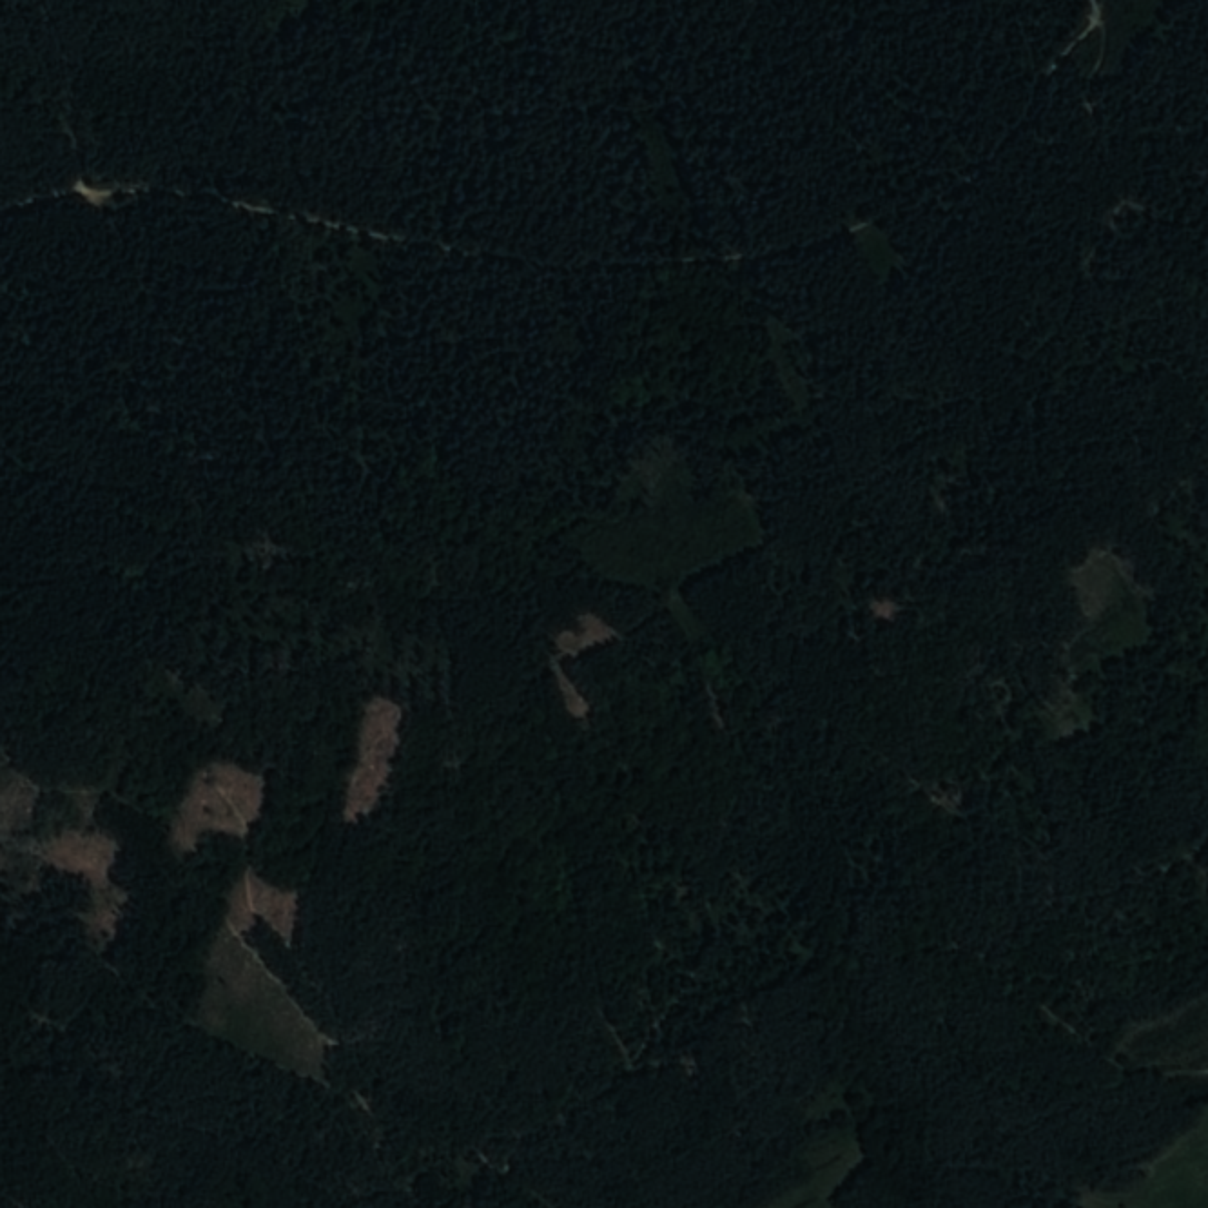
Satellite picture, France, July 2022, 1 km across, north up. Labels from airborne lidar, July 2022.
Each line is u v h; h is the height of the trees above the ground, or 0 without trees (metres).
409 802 17
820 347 23
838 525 19
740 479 10
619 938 17
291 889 16
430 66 29
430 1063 22
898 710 16
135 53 7
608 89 21
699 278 15
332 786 13
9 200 16
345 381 8
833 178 32
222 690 12
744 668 14
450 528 13
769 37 28
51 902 16
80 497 20
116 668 20
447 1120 16
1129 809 20
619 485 16
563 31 32
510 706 12
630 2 33
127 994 19
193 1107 18
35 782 15
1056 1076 17
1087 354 17
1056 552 27
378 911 18
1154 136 17
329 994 18
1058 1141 19
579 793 16
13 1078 22
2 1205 17
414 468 21
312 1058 0
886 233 22
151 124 16
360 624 16
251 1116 17
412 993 22
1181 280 15
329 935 17
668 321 14
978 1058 22
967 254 24
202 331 26
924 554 11
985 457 20
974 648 16
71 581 21
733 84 23
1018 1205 25
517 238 37
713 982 10
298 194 29
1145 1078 18
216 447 24
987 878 30
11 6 13
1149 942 14
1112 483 25
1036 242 27
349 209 28
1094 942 8
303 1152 7
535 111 25
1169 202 11
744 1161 23
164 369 19
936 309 25
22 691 17
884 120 30
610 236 29
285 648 17
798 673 22
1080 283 21
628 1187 27
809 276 25
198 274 25
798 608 19
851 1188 21
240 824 0
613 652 16
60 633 18
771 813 26
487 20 23
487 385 14
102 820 16
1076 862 20
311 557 11
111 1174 10
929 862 19
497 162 32
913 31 18
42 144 15
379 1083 16
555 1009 21
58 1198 17
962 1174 21
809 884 24
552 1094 19
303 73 24
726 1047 24
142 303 27
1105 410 20
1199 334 16
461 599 13
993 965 15
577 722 14
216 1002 0
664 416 11
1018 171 21
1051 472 25
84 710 18
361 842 20
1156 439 21
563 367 28
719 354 12
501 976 18
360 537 20
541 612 20
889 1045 20
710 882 24
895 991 21
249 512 20
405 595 9
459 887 21
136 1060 18
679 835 25
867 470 22
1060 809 25
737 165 30
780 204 33
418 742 16
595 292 16
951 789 19
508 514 15
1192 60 19
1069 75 15
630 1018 10
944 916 19
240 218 28
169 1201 21
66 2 16
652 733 17
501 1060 18
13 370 23
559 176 24
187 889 18
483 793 15
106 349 27
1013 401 22
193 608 21
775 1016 24
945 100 20
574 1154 18
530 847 13
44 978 27
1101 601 0
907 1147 26
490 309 29
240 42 33
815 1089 17
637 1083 21
